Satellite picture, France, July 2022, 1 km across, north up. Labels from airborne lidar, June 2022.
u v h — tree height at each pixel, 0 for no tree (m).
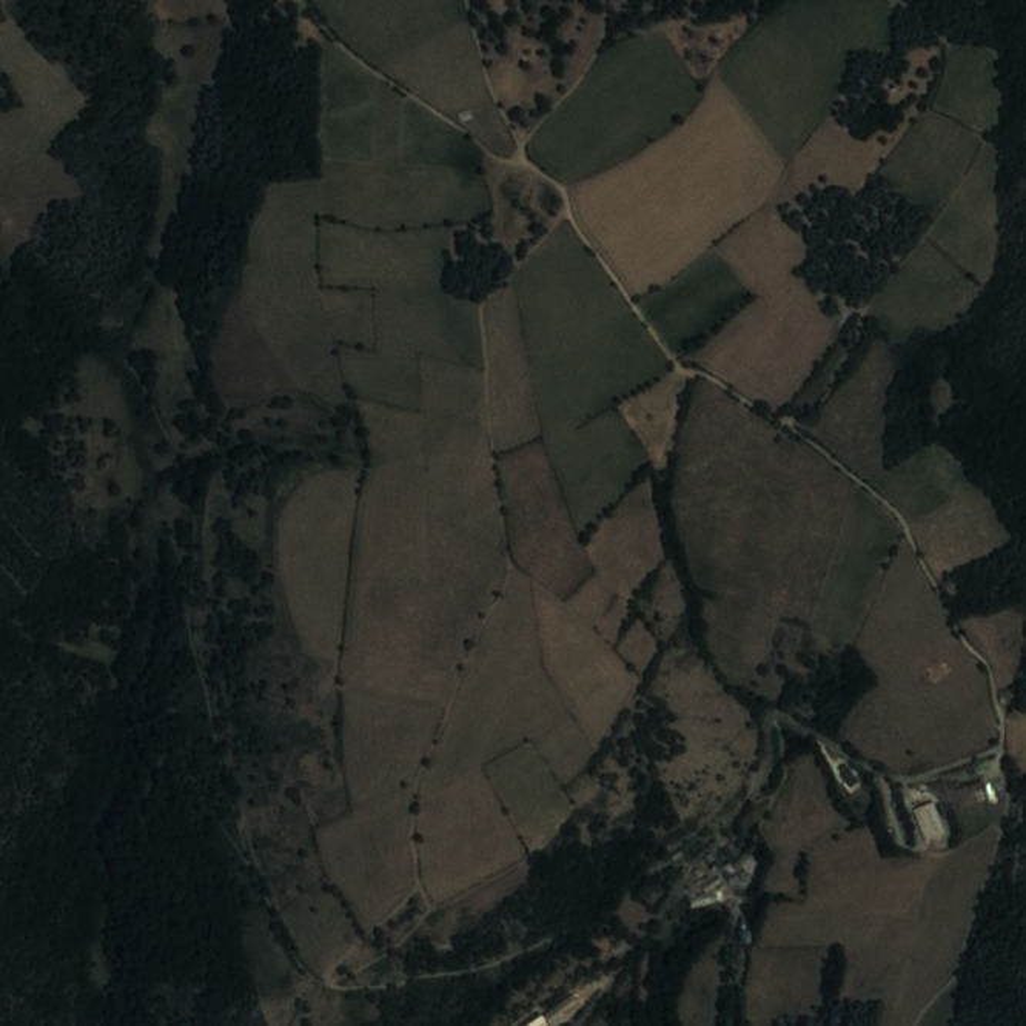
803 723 10
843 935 0
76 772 9
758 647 0
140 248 14
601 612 0
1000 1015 13
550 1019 0
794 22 0
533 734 0
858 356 7
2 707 16
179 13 0
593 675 0
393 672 0
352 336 0
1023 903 8
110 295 10
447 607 0
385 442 0
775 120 0
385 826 0
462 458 0
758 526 0
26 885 15
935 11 11
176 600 11
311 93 14
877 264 19
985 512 0
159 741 17
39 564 13
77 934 18
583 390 0
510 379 0
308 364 0
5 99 10
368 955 0
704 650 9
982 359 15
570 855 11
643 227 0
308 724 0
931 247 0
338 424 15
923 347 6
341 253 0
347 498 0
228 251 19
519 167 0
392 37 0
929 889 0
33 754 15
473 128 0
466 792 0
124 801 18
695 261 0
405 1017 10
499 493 6
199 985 18
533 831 0
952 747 0
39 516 8
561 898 11
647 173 0
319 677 0
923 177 0
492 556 0
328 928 0
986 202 0
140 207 15
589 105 0
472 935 8
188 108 0
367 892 0
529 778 0
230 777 10
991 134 11
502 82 0
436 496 0
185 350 0
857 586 0
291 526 0
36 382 17
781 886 0
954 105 0
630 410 0
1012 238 7
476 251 19
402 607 0
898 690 0
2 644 14
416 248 0
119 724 23
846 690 12
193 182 7
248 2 15
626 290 0
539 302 0
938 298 0
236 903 9
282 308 0
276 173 12
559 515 0
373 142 0
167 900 16
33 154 0
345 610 0
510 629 0
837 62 0
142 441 0
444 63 0
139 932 20
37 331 13
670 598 0
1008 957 8
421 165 0
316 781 0
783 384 0
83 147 6
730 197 0
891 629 0
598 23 0
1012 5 18
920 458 0
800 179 0
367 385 0
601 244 0
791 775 0
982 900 12
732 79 0
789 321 0
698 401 0
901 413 13
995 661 0
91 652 0
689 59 8
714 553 0
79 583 13
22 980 11
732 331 0
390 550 0
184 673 8
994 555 9
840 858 0
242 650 9
